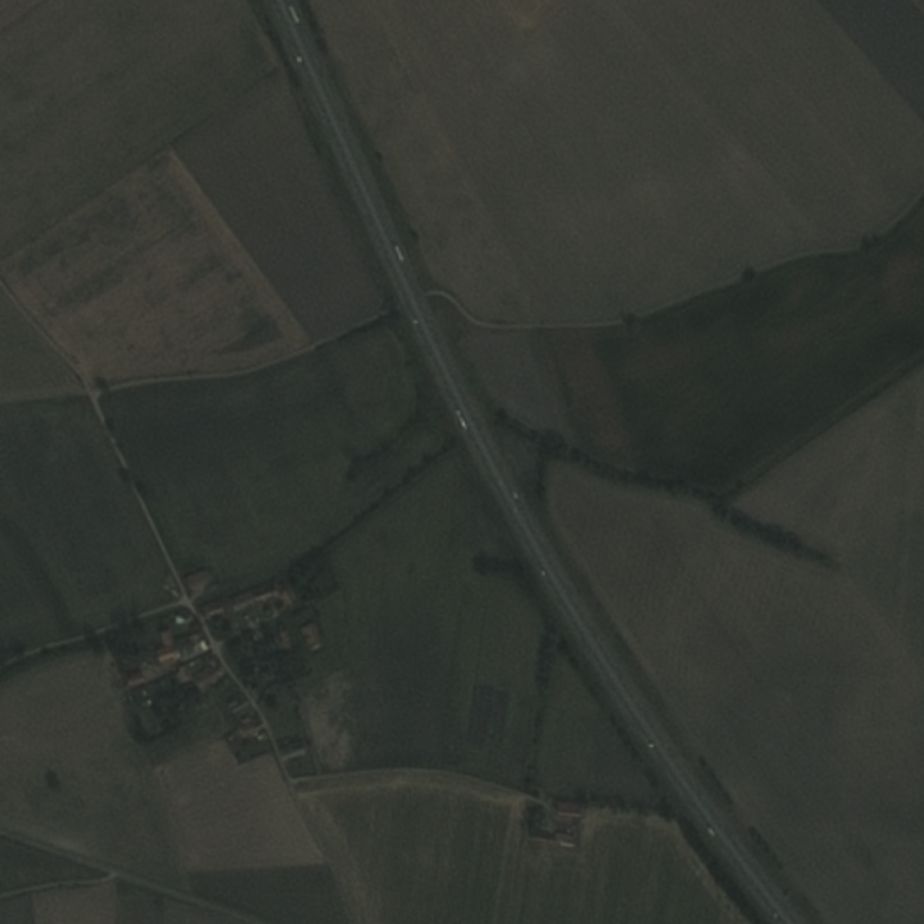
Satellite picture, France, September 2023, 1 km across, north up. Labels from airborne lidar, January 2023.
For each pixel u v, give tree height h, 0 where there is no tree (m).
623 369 0
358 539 0
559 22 0
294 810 0
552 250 0
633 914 0
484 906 0
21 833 0
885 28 0
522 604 0
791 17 0
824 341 0
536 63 0
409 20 0
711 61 0
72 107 0
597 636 0
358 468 31
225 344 0
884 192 0
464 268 0
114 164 0
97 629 0
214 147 0
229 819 0
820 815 0
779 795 0
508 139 0
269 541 0
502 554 0
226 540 0
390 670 0
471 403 0
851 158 0
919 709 0
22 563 0
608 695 0
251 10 0
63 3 0
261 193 0
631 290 0
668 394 0
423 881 0
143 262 0
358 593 0
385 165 0
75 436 0
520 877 0
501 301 0
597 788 0
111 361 0
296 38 0
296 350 0
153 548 0
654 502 0
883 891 0
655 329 0
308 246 0
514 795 0
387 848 0
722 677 0
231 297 0
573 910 0
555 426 0
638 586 0
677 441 0
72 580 0
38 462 0
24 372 0
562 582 0
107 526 0
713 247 0
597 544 0
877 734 0
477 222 0
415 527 0
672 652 0
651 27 0
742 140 0
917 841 0
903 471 0
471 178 0
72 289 0
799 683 0
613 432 0
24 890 0
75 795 0
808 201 0
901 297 0
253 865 0
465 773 0
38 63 0
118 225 0
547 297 0
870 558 0
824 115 0
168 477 0
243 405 0
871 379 0
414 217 0
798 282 0
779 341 0
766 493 0
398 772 0
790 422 0
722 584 0
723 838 0
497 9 0
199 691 9
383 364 0
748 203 0
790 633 0
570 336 0
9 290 0
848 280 0
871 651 0
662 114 0
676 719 0
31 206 0
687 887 0
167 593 0
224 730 0
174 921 0
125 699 0
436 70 0
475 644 0
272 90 0
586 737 0
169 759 0
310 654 0
